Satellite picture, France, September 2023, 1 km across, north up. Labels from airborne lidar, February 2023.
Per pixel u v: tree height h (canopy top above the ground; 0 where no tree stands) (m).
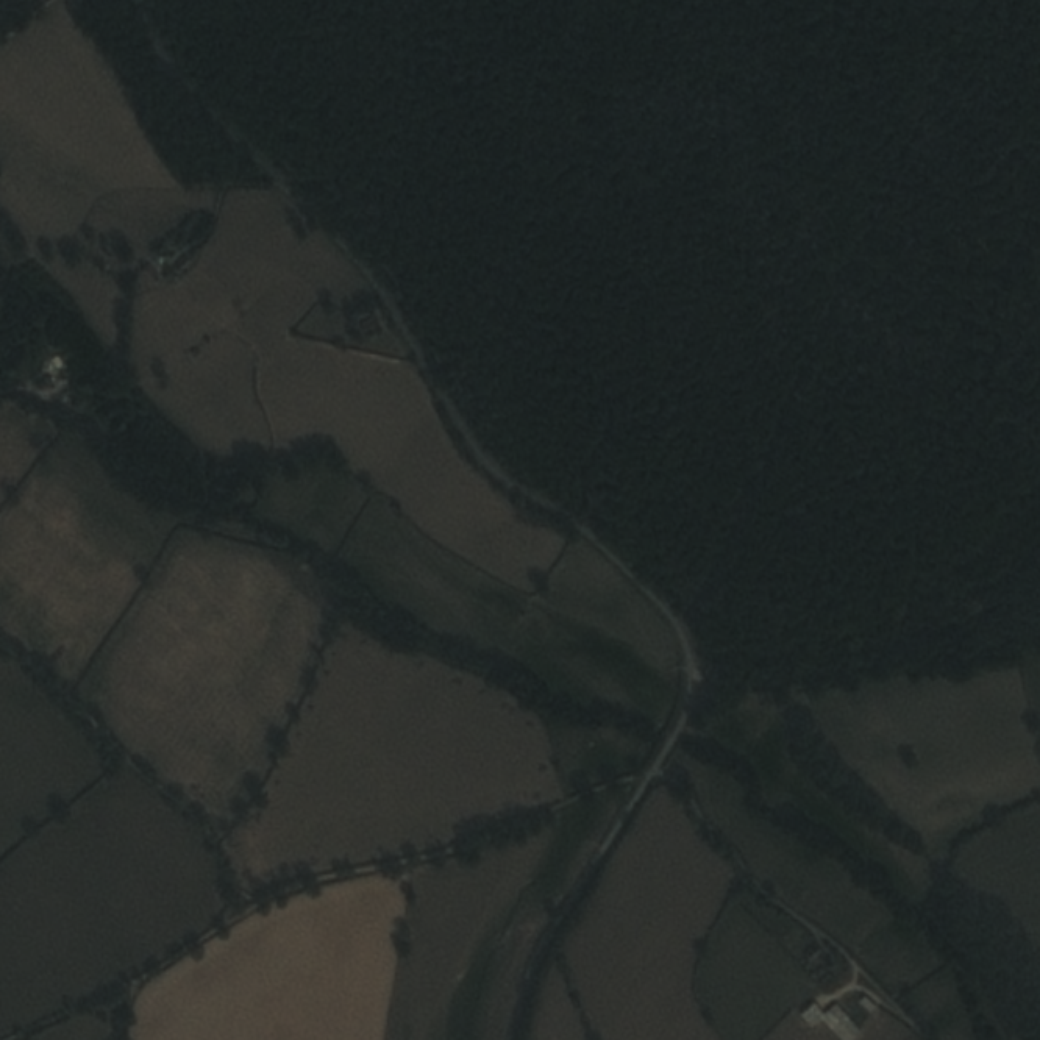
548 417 24
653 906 0
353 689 0
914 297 29
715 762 16
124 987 10
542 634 0
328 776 0
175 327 0
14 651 15
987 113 22
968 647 20
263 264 0
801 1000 0
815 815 0
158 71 25
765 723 0
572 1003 8
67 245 10
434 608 0
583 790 22
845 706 0
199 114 28
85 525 0
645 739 10
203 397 0
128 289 14
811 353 21
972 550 14
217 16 30
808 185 21
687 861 0
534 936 0
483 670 17
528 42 29
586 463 28
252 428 0
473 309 28
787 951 0
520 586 0
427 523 0
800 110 19
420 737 0
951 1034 0
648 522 21
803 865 0
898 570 25
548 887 0
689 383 25
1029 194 29
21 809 0
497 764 0
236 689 0
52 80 0
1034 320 27
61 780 0
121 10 16
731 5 22
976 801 0
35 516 0
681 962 0
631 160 26
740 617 30
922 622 7
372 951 0
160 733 0
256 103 29
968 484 32
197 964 0
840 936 0
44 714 0
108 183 0
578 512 20
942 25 26
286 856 0
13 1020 0
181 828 0
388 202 29
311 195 19
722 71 15
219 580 0
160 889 0
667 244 24
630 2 25
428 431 0
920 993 0
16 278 6
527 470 22
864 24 20
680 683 0
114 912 0
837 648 7
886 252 25
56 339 17
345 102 30
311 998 0
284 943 0
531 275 29
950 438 26
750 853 0
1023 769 0
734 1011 0
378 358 0
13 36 0
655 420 26
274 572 0
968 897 21
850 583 32
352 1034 0
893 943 0
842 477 28
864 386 26
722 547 23
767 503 26
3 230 19
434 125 33
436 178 31
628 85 22
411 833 0
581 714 14
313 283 0
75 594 0
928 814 0
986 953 22
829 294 15
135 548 0
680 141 22
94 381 18
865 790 17
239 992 0
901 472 31
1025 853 0
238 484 14
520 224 30
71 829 0
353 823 0
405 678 0
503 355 27
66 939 0
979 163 27
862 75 17
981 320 31
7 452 0
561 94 25
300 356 0
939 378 34
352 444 0
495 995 0
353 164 29
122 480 22
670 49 20
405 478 0
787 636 24
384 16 32
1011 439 32
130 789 0
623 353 30
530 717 0
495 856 0
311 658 12
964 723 0
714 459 25
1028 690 0
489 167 34
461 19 31
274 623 0
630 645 0
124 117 0
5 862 0
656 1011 0
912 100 20
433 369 20
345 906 0
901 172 25
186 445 17
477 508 0
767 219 16
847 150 22
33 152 0
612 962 0
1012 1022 24
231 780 0
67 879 0
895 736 0
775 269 14
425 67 31
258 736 0
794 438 28
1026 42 30
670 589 21
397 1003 0
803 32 21
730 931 0
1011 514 16
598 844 0
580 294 32
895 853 0
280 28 31
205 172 25
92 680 0
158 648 0
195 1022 0
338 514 0
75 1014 6
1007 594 24
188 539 0
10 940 0
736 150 20
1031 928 0
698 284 25
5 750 0
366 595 18
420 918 0
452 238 26
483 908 0
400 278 22
